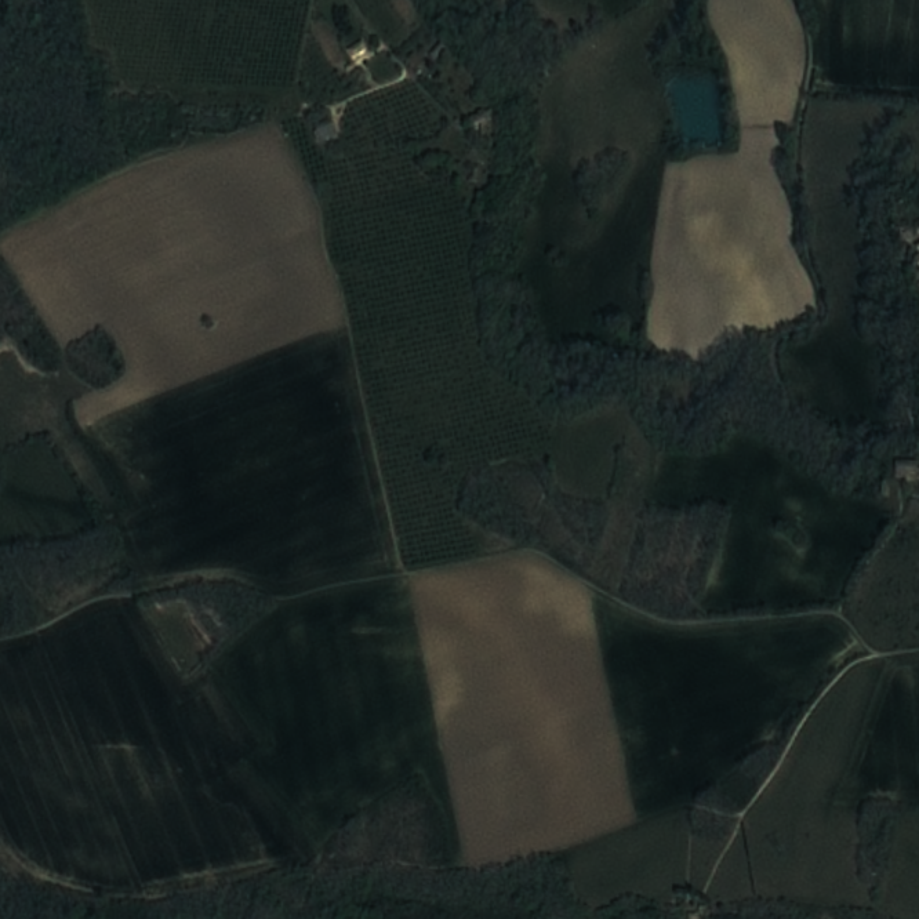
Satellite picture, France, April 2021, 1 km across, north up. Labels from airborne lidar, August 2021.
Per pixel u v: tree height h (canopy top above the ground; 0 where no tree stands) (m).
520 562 0
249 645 0
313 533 0
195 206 0
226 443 0
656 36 0
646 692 0
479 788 0
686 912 7
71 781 0
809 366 0
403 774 0
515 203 19
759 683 0
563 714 0
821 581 0
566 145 0
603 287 0
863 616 0
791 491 0
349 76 6
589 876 0
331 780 0
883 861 17
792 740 11
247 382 0
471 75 8
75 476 9
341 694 0
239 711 0
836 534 0
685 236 0
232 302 0
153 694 0
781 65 0
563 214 0
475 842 0
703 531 14
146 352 0
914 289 10
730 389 12
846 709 0
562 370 22
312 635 0
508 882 15
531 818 0
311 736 0
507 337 20
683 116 0
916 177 8
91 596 0
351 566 0
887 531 14
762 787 13
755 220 0
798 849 0
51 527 0
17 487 0
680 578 10
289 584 0
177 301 0
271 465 0
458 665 0
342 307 0
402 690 0
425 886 17
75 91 12
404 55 9
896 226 8
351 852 13
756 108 0
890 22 0
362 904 13
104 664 0
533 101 9
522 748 0
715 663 0
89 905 17
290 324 0
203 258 0
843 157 0
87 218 0
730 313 0
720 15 0
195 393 0
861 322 13
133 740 0
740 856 0
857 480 12
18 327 11
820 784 0
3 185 11
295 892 11
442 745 0
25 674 0
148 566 0
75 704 0
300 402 0
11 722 0
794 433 21
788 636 0
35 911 25
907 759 0
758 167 0
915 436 10
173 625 0
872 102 16
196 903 18
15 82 24
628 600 11
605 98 0
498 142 10
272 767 0
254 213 0
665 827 0
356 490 0
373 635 0
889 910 0
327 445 0
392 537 0
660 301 0
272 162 0
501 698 0
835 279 0
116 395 0
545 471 13
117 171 11
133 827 0
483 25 20
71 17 12
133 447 0
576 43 20
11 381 0
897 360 10
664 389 9
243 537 0
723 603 0
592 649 0
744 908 11
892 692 0
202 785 0
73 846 0
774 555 0
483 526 11
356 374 0
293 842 0
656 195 0
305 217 0
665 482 0
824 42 0
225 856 0
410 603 0
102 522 13
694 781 0
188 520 0
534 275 0
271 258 0
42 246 0
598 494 0
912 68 0
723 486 0
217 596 16
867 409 0
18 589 12
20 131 22
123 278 0
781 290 0
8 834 0
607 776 0
